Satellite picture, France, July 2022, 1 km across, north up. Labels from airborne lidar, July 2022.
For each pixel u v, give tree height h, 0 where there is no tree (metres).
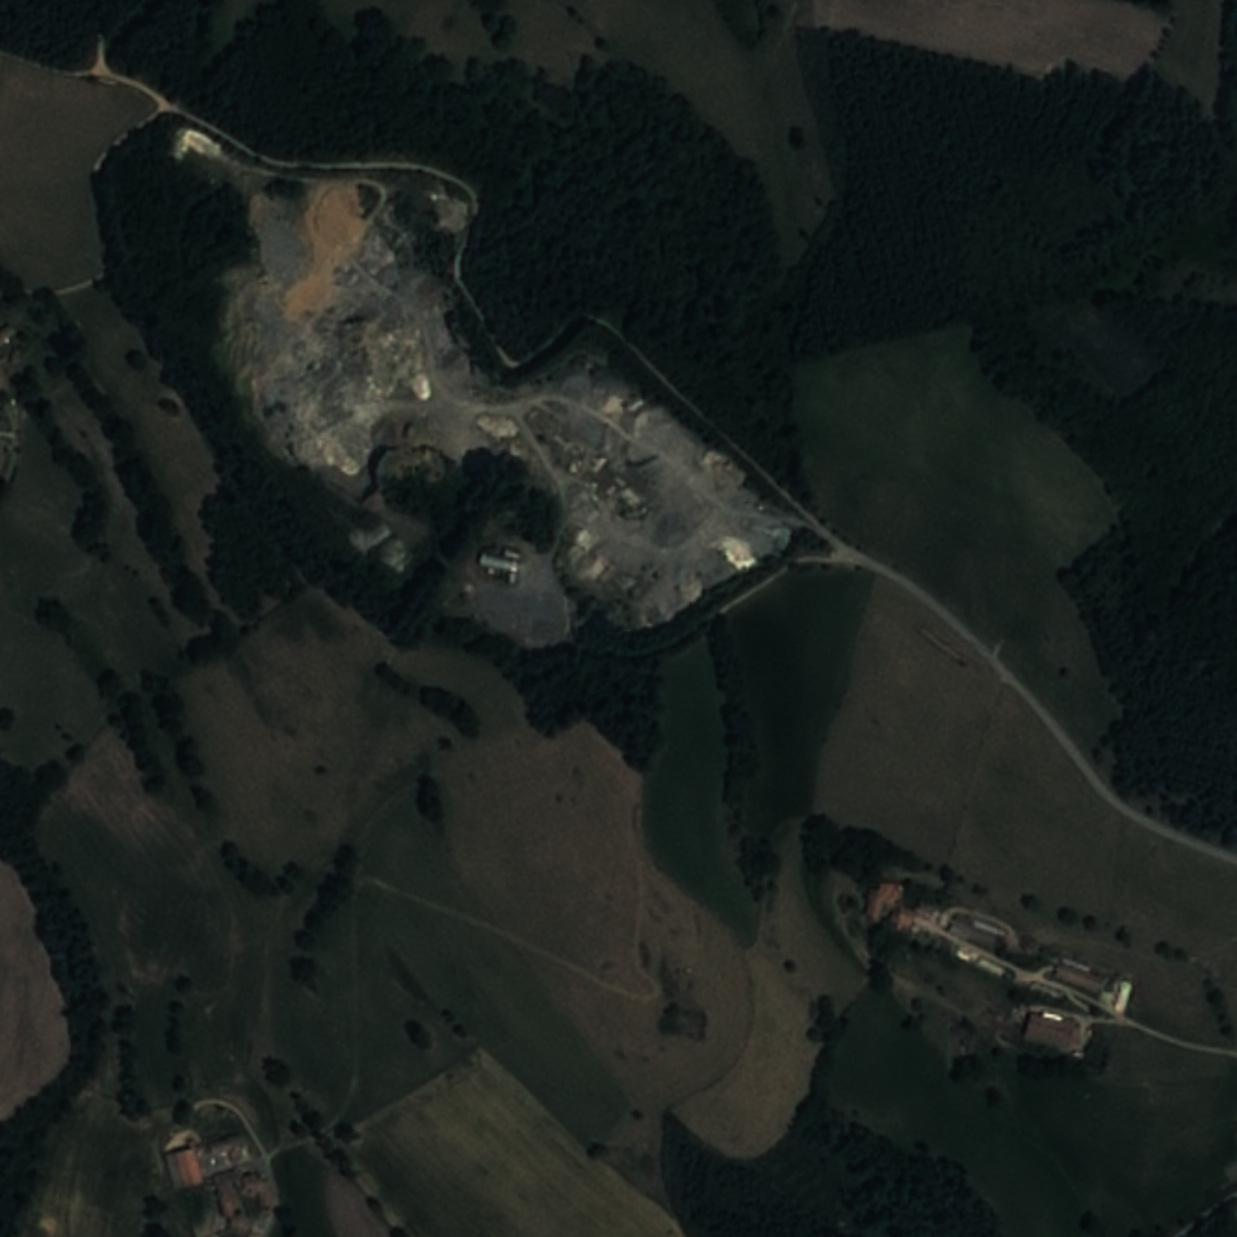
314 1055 0
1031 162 12
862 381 0
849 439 0
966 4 0
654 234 23
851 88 12
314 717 0
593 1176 0
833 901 0
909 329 12
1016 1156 0
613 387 0
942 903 7
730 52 0
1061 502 0
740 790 13
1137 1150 0
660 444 0
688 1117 0
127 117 0
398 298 0
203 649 20
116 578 0
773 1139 0
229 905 0
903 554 0
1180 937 0
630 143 20
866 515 0
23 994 0
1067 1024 0
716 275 21
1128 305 15
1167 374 11
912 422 0
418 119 22
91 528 23
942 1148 0
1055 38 0
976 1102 0
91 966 25
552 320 12
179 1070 0
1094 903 0
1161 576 21
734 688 15
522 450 0
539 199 21
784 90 0
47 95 0
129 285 26
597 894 0
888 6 0
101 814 0
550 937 0
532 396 0
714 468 0
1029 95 15
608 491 0
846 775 0
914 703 0
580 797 0
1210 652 12
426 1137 0
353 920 0
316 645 0
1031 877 0
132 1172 0
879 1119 0
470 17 0
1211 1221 9
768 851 16
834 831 20
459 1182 0
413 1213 0
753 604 0
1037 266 8
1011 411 0
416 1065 0
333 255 0
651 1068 0
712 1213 7
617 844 0
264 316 0
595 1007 0
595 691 14
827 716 0
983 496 0
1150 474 10
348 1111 0
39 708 0
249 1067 0
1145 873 0
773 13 14
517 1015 0
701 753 0
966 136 12
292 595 12
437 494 8
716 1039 0
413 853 0
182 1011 14
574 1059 0
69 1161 0
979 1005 0
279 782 0
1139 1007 0
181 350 11
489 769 0
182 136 0
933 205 13
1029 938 0
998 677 0
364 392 0
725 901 0
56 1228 0
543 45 0
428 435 0
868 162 14
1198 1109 0
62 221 0
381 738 0
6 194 0
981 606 0
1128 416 15
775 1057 0
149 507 23
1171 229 8
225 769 0
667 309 28
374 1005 0
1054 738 0
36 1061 0
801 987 0
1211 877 0
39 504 0
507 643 11
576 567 0
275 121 17
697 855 0
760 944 0
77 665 0
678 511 0
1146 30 0
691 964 0
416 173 7
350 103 15
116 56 14
